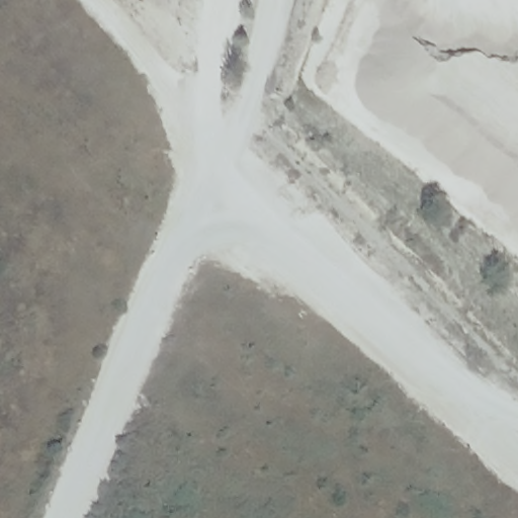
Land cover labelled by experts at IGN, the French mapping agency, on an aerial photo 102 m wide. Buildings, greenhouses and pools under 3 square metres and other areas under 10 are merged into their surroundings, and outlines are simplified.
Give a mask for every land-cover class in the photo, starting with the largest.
<instances>
[{"label":"herbaceous vegetation","instance_id":"1","mask_svg":"<svg viewBox=\"0 0 518 518\"><path fill-rule=\"evenodd\" d=\"M174 188L170 142L162 125L156 99L148 91L146 75H142L134 67L130 55L113 40V36L107 30L99 26V22L83 8L79 0H0V518H30L32 512L24 506V502L28 496L30 482L38 473L34 461L36 453L53 437L57 415L61 411L73 409L77 413L73 419V427L77 429L83 419L85 407L91 399L93 384L101 368V358L107 352L113 326L117 324L121 314L127 312L130 293L134 289V283L146 257L152 251V243L158 237L160 225L168 208L170 192ZM314 0H291L285 36L263 89L261 109L265 113V125L257 136H253L255 142L251 144V152L267 164L281 168L287 174V180L306 192V196L314 202L316 210H320L322 214H330L342 239L354 243V249L364 257L366 265L376 275L386 279L397 289L405 291L407 306L425 322V326L431 330L435 338L445 342L457 358L465 360L467 368L473 374L490 378L492 382H498L504 389L518 393V257L512 255L508 259L510 287L496 295H490L488 285L482 281L480 267L488 253L498 249L500 245L496 237L478 229L473 221L461 217L459 210L453 208L451 221L445 227H433L431 223H425L415 210H407L411 202L421 200V188L425 184L413 168L391 156L378 142L366 138L354 123L346 121L332 105L316 97L308 89L304 81L306 65H301L299 75L293 73L295 59L304 42L301 28L308 20V12ZM255 18L243 14L235 32L241 38L247 36V32L253 28ZM241 87L223 81L221 101L237 99ZM109 478L99 482L97 500L91 504L85 518H97V514L115 508L117 498H140L144 488H150L152 484L162 480L170 482V486L176 488L192 486L200 490V494L208 496L239 494L247 498H277L281 502H295L301 498H310L318 490V478H332L340 482L346 494L344 504L348 506L340 512L338 518H427L423 514L401 516L395 512V508L401 502L407 506L415 504V486L435 490L439 492V496L447 498V502H453L457 518H518V492L500 482L469 449V445L461 443L443 423L435 421L425 409H421L413 399H409L407 393L393 380V376L384 368H380L366 354H362V350L356 344H352L330 322L318 316L306 301L283 293L271 297L267 291L259 289L253 279H247L241 273L223 267L219 261H204L198 265L196 275L182 285V297L178 299V306L172 314V326L162 338L160 352L152 362L150 374L142 391L138 393V411H134L132 419L125 423L123 433L115 437V453L107 469Z\"/></svg>","mask_w":518,"mask_h":518},{"label":"pervious surface","instance_id":"2","mask_svg":"<svg viewBox=\"0 0 518 518\"><path fill-rule=\"evenodd\" d=\"M83 8L99 22V26L107 30L113 36V40L130 55L134 67L142 75H146L148 91L156 99L162 125L170 142L174 188L170 192L168 208L160 225L158 237L152 243V251L146 257L134 283V289L130 293L127 312L121 314L117 324L113 326L107 352L101 358V368L93 384L91 399L85 407L83 419L77 429L73 443L67 449V457L61 465L59 480L55 484L42 518H85L91 504L97 500L99 482L109 478L107 469L115 453V437L123 433L125 423L132 419L134 411H138V393L142 391L150 374L152 362L160 352L162 338L172 326V314L178 306V299L182 297V285L196 275L198 265L204 261H219L223 267L241 273L247 279H253L259 289L267 291L271 297L283 293L306 301L318 316L330 322L352 344H356L362 350V354H366L380 368H384L393 376V380L407 393L409 399H413L421 409H425L435 421L443 423L461 443L469 445V449L500 482L518 492V393L504 389L498 382H492L490 378L473 374L467 368L465 360L457 358L445 342L435 338L431 330L425 326V322L407 306L405 291L397 289L386 279L376 275L366 265L364 257L354 249V243L342 239L330 214H322L320 210H316L314 202L306 196V192L287 180V174L281 168L267 164L251 152V144L255 142L253 136H257L265 125V113L261 109L263 89L285 36L291 0H79ZM243 14L255 18L253 28L247 32V36L249 45L243 53L245 73L241 87L237 99L221 101L223 81L221 71L225 65V57L231 53V38L235 32ZM304 42L295 59L293 73L299 75L301 65H306L304 81L308 89L316 97L332 105L346 121L354 123L366 138L378 142L391 156L413 168L425 184L437 182L447 192V198L453 208L459 210L461 217L473 221L478 229L496 237L500 245L498 249L500 253L512 255L518 257V0H314L308 12V20L301 28Z\"/></svg>","mask_w":518,"mask_h":518},{"label":"brushwood","instance_id":"3","mask_svg":"<svg viewBox=\"0 0 518 518\"><path fill-rule=\"evenodd\" d=\"M77 413L73 409L61 411L57 415L53 437L36 453L34 461L38 473L30 482L28 496L24 502V506L32 512L30 518H42L55 484L59 480L61 465L67 457V449L73 443L77 429L73 427V419ZM318 490L310 498H301L295 502H281L277 498H247L239 494L208 496L200 494V490L192 486L176 488L170 486V482L162 480L152 484L150 488H144L140 498H117L115 508L97 514V518H338L340 512L348 506L344 504L346 494L340 482L332 478H318ZM415 504L407 506L401 502L395 508V512L401 516L423 514L427 518H457L453 502H447V498L439 496V492L435 490L415 486Z\"/></svg>","mask_w":518,"mask_h":518},{"label":"deciduous trees","instance_id":"4","mask_svg":"<svg viewBox=\"0 0 518 518\"><path fill-rule=\"evenodd\" d=\"M249 45L247 36L241 38L235 32L231 38V53L225 57V65L221 71L223 81L241 87L245 73L243 53ZM407 210H415L425 223H431L433 227H445L451 221L453 208L447 198V192L437 182L425 184L421 188V200L411 202ZM512 255L500 253L498 249L488 253L480 267L482 281L488 285L490 295H496L510 287L508 259Z\"/></svg>","mask_w":518,"mask_h":518}]
</instances>
